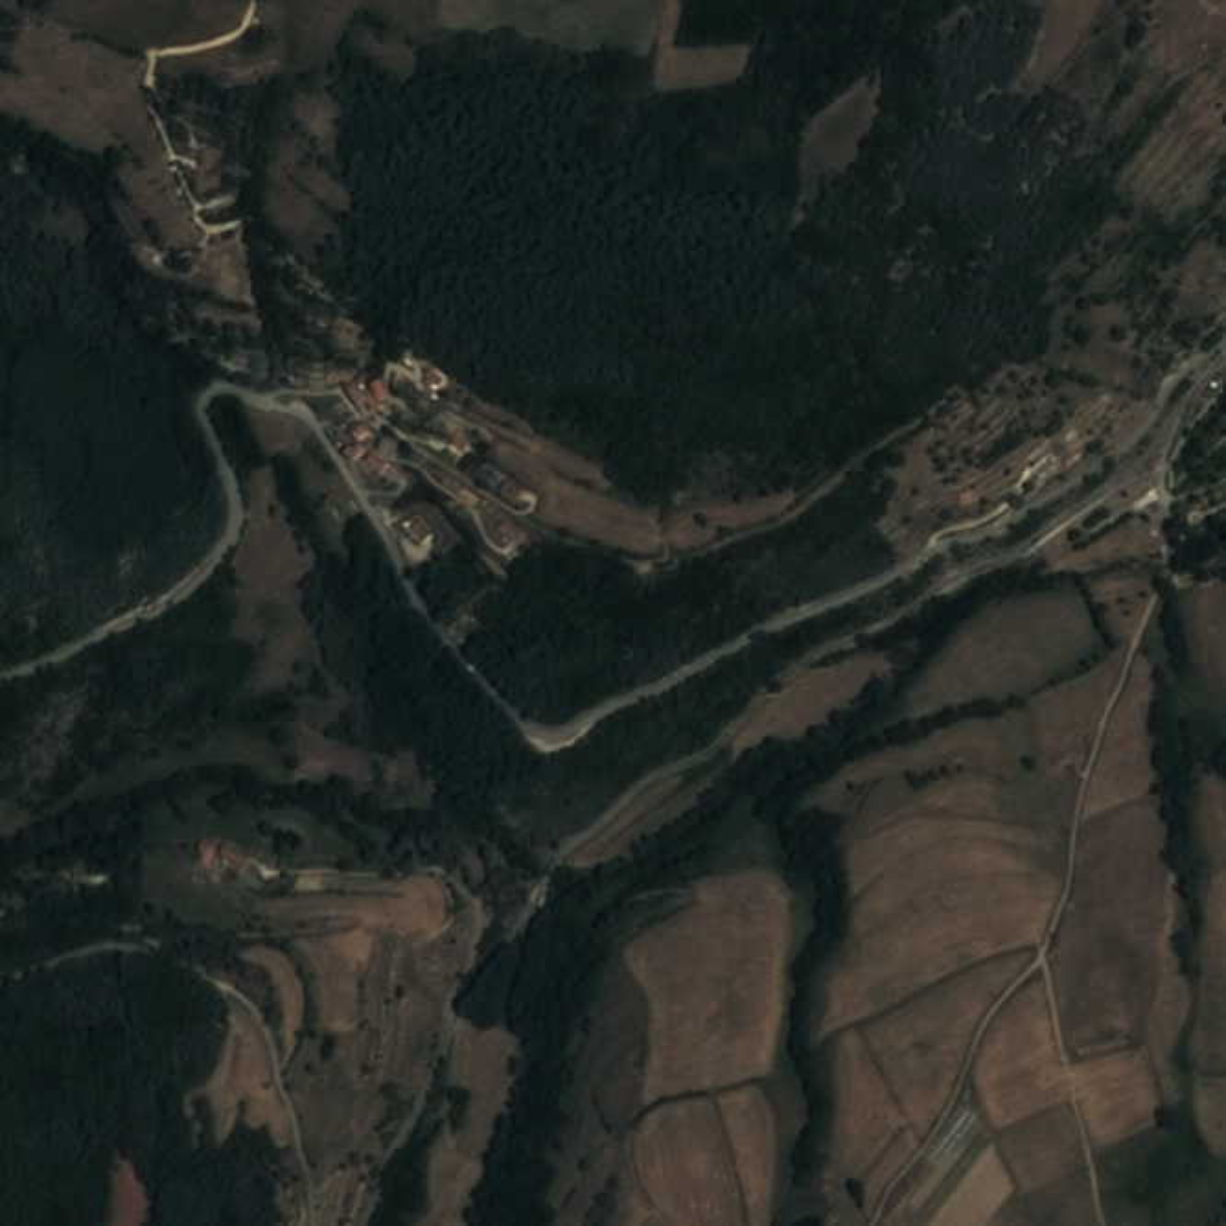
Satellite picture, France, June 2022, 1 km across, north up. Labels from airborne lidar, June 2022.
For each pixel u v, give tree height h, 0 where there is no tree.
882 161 8
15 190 19
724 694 10
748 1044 0
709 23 7
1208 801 0
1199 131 0
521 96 21
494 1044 0
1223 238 9
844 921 14
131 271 16
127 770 0
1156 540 0
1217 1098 0
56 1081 13
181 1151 22
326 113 0
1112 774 0
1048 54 0
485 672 14
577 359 18
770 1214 0
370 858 15
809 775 17
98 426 20
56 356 21
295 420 0
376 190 13
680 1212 0
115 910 10
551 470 0
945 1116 0
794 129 12
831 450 10
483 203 33
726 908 0
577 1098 0
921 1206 0
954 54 15
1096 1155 0
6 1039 10
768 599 9
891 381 10
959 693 0
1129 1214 0
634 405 10
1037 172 12
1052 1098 0
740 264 22
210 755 0
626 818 0
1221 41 0
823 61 8
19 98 0
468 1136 0
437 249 25
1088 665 11
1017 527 9
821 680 0
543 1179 11
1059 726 0
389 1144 6
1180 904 0
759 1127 0
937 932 0
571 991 22
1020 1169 0
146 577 7
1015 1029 0
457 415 0
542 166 10
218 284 0
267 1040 0
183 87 8
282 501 12
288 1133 0
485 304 19
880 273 13
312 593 14
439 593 23
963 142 14
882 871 0
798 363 9
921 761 0
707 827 14
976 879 0
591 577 9
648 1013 0
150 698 16
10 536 11
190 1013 11
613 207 22
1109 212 11
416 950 0
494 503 0
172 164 7
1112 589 0
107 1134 17
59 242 14
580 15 0
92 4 0
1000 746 0
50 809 12
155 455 21
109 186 11
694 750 7
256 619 0
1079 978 0
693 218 29
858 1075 0
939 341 14
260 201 11
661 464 10
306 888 0
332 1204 0
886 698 25
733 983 0
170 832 0
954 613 19
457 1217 0
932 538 0
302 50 0
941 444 8
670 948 0
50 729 6
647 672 14
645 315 12
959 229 16
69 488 21
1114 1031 0
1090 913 0
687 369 7
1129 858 0
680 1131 0
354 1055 0
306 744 0
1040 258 12
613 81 10
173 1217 25
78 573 12
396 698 20
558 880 16
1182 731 6
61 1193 16
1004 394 10
